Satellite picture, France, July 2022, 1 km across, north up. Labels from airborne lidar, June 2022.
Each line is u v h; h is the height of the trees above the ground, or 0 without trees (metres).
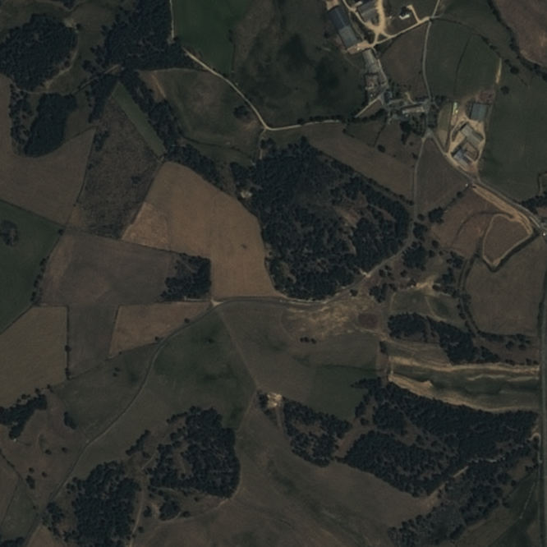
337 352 0
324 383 0
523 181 0
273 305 0
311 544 0
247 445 0
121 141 0
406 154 0
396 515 0
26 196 0
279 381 0
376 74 0
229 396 0
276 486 0
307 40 0
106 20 0
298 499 0
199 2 0
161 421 0
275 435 0
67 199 0
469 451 15
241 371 0
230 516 0
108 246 0
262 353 0
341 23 0
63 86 0
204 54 0
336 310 0
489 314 0
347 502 0
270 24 0
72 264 0
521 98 0
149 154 0
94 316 0
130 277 0
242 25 0
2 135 0
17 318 0
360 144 0
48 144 16
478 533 0
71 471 0
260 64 0
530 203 14
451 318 0
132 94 14
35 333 0
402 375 0
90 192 0
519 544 0
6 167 0
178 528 0
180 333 0
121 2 0
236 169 15
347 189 10
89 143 0
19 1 0
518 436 15
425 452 20
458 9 0
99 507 15
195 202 0
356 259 15
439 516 0
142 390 0
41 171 0
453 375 0
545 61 0
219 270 0
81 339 0
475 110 0
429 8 0
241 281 0
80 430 0
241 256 0
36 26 14
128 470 0
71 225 0
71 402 0
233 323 0
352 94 0
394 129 0
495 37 0
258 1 0
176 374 0
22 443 0
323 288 15
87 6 0
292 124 0
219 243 0
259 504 0
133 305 0
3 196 0
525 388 0
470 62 0
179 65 16
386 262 0
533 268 0
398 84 8
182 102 0
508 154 0
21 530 0
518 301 0
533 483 0
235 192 0
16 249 0
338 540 0
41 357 0
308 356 0
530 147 0
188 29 0
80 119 0
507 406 0
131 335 0
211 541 0
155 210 0
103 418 0
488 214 0
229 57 0
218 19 0
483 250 0
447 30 0
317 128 0
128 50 14
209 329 0
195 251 0
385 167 0
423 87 0
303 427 0
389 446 18
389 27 0
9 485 0
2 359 0
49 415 0
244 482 0
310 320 0
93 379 0
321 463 15
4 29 0
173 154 16
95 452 0
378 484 0
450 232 0
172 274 0
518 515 0
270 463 0
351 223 0
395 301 0
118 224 0
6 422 17
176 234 0
